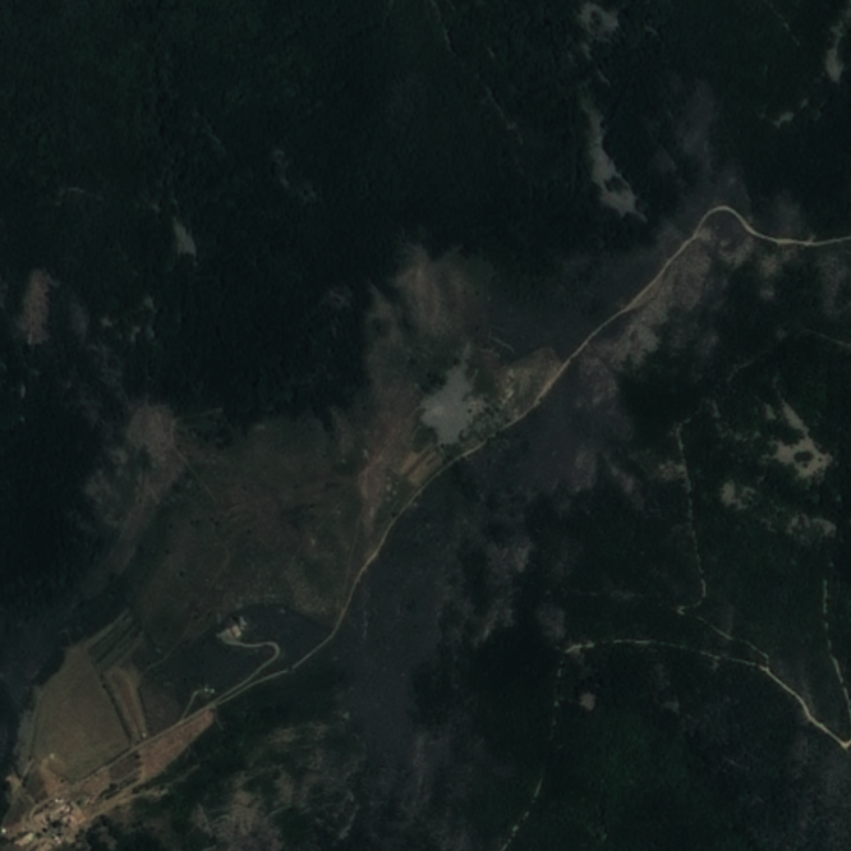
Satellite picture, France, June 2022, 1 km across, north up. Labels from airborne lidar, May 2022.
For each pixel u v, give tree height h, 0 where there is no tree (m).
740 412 12
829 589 9
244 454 0
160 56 17
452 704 7
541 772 10
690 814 12
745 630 5
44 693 0
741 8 6
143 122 18
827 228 8
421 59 11
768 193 10
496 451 0
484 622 0
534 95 10
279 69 13
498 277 6
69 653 0
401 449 0
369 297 7
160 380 9
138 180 7
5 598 9
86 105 9
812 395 10
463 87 10
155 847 12
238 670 0
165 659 0
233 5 14
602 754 16
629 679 14
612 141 16
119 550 0
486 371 0
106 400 8
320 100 13
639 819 14
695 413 7
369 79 13
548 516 7
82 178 9
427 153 9
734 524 9
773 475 13
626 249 9
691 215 0
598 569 8
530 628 10
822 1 9
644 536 8
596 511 8
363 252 10
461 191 9
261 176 8
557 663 10
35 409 10
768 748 9
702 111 0
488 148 12
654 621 9
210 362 14
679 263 0
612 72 12
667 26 13
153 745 0
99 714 0
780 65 11
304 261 13
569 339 0
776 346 6
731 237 0
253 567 0
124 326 9
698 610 7
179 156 15
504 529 7
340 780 0
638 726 13
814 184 12
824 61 7
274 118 11
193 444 0
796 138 13
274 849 0
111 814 0
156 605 0
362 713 0
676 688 9
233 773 9
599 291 0
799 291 9
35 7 9
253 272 16
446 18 12
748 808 8
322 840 6
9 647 0
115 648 0
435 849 6
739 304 7
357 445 0
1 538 9
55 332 7
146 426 0
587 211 13
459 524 0
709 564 5
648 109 7
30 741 0
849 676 9
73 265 7
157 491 0
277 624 0
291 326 15
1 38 15
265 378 6
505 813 8
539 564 7
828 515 8
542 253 12
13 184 9
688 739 11
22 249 9
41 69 10
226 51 12
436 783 6
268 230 11
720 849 12
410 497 0
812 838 7
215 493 0
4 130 6
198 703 0
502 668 9
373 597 0
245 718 7
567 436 0
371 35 15
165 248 10
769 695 6
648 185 13
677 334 0
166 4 15
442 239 9
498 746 6
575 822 10
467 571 8
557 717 9
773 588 6
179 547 0
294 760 0
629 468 7
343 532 0
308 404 9
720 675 7
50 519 9
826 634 7
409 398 0
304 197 6
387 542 0
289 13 9
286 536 0
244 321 23
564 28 21
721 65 8
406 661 0
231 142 13
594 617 10
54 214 8
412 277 0
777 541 7
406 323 8
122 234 13
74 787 0
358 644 0
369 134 8
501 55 13
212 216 12
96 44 12
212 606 0
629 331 0
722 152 6
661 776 11
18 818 0
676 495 6
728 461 6
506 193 13
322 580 0
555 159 6
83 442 6
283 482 0
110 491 0
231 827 0
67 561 10
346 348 10
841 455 8
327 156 10
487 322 0
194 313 17
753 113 10
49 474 12
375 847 6
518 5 13
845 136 17
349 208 13
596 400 0
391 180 14
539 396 0
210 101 14
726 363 8
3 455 11
